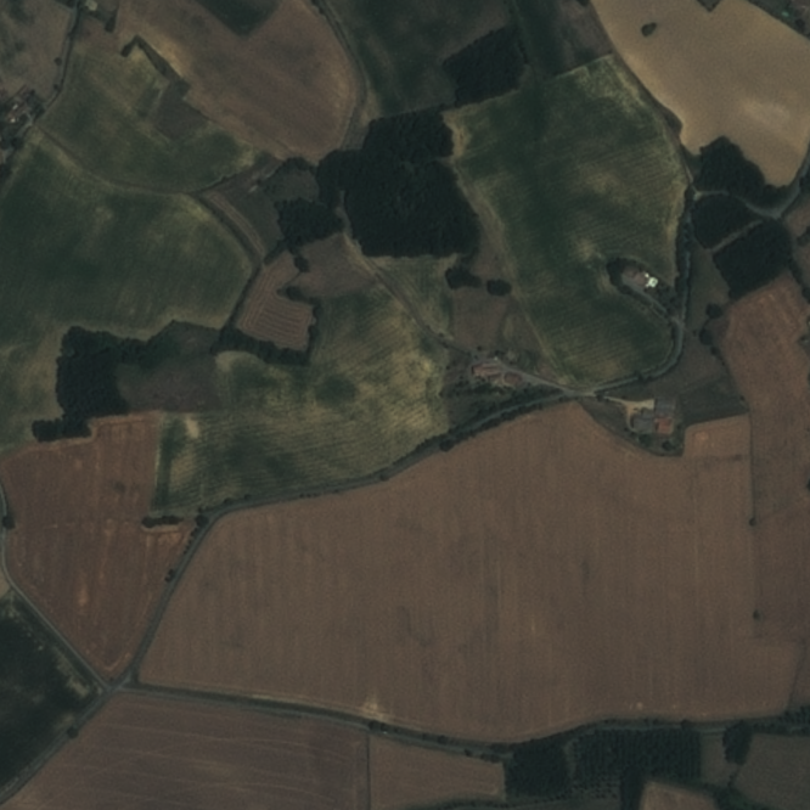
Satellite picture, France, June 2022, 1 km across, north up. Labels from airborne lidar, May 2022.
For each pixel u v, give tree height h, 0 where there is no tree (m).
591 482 0
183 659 0
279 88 0
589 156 0
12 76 0
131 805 0
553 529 0
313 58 0
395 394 0
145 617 0
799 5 0
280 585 0
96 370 16
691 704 0
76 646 0
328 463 0
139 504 0
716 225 12
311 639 0
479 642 0
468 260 6
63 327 0
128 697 0
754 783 0
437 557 0
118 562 0
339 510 0
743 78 0
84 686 0
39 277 0
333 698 0
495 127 0
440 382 0
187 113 0
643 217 0
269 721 0
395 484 0
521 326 0
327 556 0
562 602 0
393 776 0
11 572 0
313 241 10
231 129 0
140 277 0
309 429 0
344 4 0
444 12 0
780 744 0
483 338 0
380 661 0
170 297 0
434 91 0
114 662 0
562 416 0
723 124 0
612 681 0
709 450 0
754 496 0
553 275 0
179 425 0
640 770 18
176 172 0
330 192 12
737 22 0
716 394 0
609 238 0
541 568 0
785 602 0
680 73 0
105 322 0
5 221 0
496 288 21
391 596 0
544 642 0
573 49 0
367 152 15
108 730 0
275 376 0
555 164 0
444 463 0
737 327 0
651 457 0
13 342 0
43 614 0
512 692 0
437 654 0
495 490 0
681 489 0
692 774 18
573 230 0
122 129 0
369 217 15
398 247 17
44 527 0
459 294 0
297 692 0
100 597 0
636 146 0
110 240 0
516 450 0
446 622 0
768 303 0
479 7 0
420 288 0
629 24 0
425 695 0
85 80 0
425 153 20
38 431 13
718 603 0
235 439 0
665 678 0
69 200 0
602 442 0
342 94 0
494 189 0
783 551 0
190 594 0
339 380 0
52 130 0
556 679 0
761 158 0
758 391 0
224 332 12
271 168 0
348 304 0
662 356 0
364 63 0
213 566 0
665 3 0
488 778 0
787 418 0
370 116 0
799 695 0
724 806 11
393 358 0
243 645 0
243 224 0
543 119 0
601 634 0
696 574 0
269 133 0
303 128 0
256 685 0
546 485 0
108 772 0
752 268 13
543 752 13
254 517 0
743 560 0
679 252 9
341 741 0
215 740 0
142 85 0
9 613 0
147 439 0
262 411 0
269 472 0
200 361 0
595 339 0
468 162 0
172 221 0
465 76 13
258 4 0
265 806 0
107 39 0
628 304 0
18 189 0
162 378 0
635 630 0
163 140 0
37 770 0
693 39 0
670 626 0
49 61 0
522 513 0
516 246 0
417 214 17
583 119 0
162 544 0
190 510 0
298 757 0
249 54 0
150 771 0
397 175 20
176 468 0
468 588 0
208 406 0
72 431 12
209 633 0
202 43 0
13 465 0
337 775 0
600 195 0
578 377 0
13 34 0
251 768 0
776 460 0
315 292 0
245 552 0
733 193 13
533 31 0
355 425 0
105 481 0
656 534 0
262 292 0
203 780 0
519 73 16
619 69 0
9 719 0
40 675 0
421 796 0
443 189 17
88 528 0
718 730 0
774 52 0
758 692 0
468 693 0
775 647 0
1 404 0
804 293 8
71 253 0
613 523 0
